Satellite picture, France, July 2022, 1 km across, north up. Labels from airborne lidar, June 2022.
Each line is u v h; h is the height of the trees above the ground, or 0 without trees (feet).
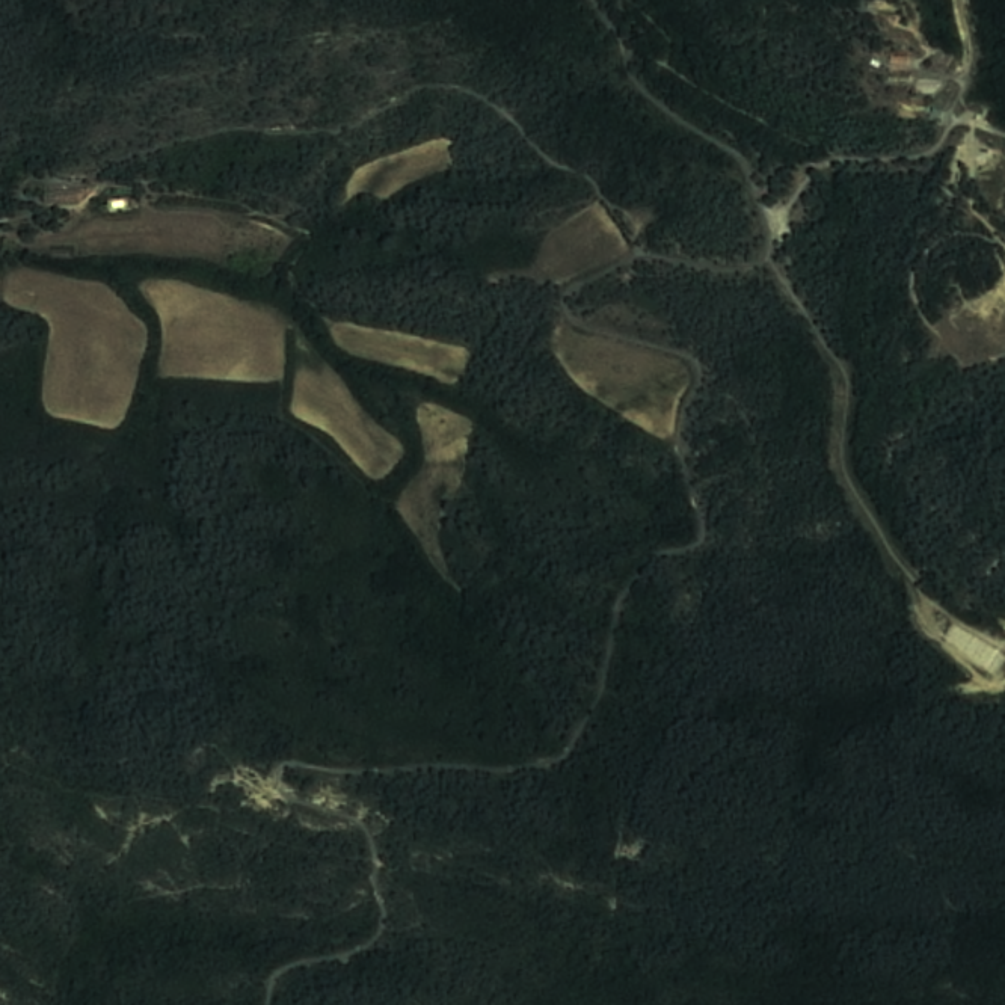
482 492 26
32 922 33
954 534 43
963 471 26
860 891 45
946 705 42
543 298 41
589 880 18
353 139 29
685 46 29
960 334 0
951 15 31
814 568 47
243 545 37
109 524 33
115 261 19
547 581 41
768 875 41
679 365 0
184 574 31
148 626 22
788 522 40
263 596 33
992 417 18
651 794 46
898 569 0
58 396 0
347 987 45
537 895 24
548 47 21
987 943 34
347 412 0
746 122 33
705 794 47
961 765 48
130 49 42
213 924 22
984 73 24
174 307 0
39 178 36
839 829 38
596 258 0
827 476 35
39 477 30
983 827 51
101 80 29
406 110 29
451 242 45
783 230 0
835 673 43
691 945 30
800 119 20
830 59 49
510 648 31
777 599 36
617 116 30
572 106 34
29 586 43
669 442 0
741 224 41
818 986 33
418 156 0
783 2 19
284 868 20
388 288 23
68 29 24
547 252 0
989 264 28
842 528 28
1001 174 0
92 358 0
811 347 23
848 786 46
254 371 0
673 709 26
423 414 0
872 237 47
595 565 23
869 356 23
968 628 0
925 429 40
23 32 23
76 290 0
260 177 39
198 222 0
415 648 34
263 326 0
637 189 34
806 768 42
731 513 36
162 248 0
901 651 36
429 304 37
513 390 35
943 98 0
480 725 37
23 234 44
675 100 49
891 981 26
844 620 45
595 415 31
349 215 22
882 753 52
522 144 36
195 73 25
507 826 27
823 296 42
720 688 41
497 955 39
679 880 39
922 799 45
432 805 33
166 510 20
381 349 0
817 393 25
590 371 0
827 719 39
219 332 0
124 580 34
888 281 21
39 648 42
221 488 27
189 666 35
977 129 0
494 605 41
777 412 24
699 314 40
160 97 35
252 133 28
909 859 23
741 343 23
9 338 42
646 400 0
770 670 45
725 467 25
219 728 28
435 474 0
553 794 26
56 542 41
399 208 35
